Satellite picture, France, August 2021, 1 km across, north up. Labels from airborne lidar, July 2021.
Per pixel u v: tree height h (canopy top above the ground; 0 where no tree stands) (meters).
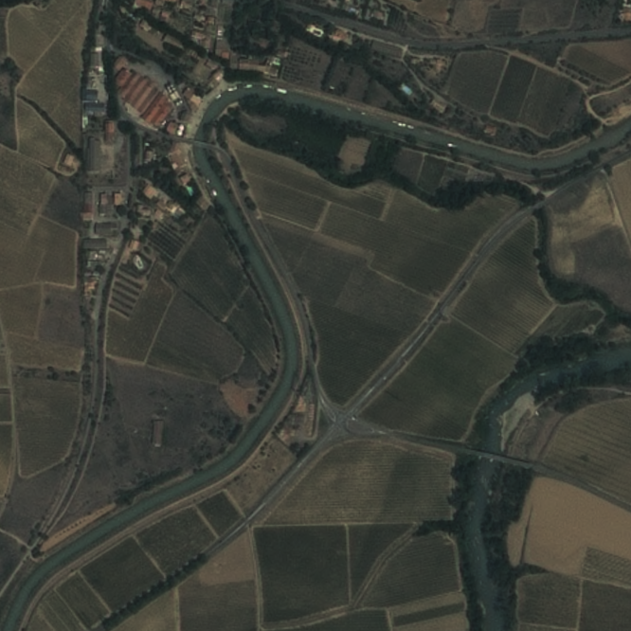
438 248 0
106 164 0
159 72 0
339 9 7
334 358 0
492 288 0
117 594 0
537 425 0
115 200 0
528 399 0
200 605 0
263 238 0
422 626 0
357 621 0
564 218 0
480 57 0
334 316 0
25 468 0
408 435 0
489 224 0
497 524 11
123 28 7
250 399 0
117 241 0
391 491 0
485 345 0
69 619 0
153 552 0
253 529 0
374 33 0
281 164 0
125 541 0
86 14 0
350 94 0
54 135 0
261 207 0
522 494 11
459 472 19
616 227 0
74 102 0
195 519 0
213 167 12
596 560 0
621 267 0
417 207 0
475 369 0
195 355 0
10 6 11
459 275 0
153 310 0
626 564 0
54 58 0
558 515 0
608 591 0
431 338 0
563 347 13
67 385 0
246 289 0
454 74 0
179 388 0
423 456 0
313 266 0
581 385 9
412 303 0
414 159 0
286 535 0
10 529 0
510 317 0
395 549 0
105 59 13
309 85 0
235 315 0
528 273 0
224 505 0
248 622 0
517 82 0
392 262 0
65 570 0
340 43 9
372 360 0
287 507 0
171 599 0
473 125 6
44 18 0
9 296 0
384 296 0
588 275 0
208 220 0
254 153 0
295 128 6
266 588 0
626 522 0
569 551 0
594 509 0
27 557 6
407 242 0
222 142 8
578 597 0
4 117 0
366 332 0
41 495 0
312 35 7
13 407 0
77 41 0
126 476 0
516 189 19
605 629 0
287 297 0
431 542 0
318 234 0
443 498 0
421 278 0
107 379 6
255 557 0
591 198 0
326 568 0
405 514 0
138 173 17
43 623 0
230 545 0
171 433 0
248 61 0
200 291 0
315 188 0
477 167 9
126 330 0
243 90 0
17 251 0
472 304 0
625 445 0
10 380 0
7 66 10
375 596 0
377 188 0
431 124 0
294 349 0
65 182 0
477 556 0
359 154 0
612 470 0
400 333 0
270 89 0
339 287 0
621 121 0
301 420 0
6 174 0
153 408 0
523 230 0
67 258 0
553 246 0
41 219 0
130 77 0
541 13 0
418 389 0
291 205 0
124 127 19
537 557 0
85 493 0
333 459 0
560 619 0
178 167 0
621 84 7
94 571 0
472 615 13
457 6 0
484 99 0
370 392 0
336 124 18
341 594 0
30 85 0
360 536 0
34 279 0
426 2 0
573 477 0
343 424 0
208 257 0
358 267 0
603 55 0
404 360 0
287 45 9
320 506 0
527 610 0
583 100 7
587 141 0
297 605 0
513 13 0
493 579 19
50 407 0
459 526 13
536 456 0
